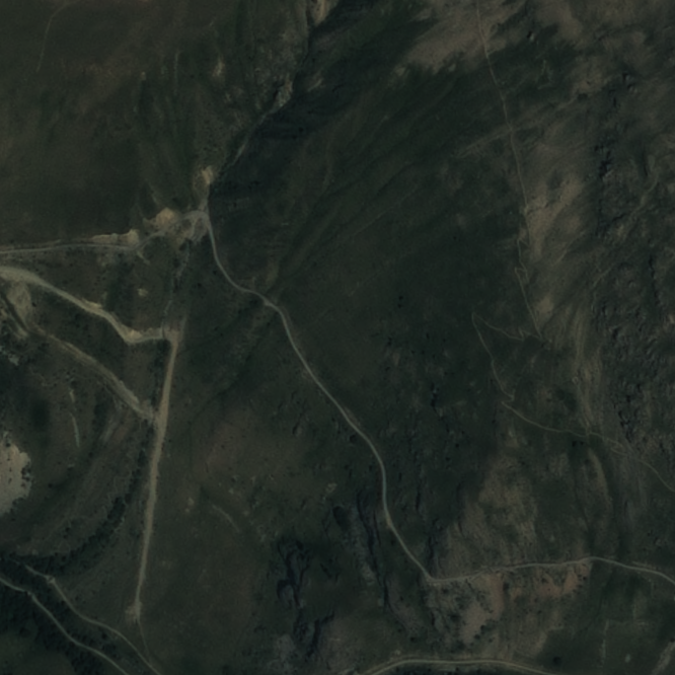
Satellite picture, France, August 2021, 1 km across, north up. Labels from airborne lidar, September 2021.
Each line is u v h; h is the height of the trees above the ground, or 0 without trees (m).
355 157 0
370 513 0
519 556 0
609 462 0
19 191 0
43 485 0
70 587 0
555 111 0
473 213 0
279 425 0
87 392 0
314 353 0
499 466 0
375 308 0
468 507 0
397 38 0
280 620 0
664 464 0
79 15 0
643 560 0
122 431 0
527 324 0
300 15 0
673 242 0
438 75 0
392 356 0
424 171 0
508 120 0
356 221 0
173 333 0
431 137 0
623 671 0
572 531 0
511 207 0
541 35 0
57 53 0
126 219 0
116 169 0
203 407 0
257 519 0
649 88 0
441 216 0
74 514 0
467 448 0
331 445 0
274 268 0
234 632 0
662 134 0
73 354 0
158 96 0
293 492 0
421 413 0
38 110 0
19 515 0
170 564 0
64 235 0
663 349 0
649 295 0
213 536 0
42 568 0
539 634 0
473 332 0
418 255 0
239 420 0
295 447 0
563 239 0
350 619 0
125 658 0
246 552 0
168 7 0
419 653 0
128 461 0
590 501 0
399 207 0
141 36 0
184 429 0
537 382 0
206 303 0
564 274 0
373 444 0
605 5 0
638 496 0
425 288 0
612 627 0
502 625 0
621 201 0
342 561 0
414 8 0
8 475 0
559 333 0
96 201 0
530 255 0
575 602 0
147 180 0
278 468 0
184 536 0
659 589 0
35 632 0
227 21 0
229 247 0
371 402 0
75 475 0
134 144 0
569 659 0
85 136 0
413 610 0
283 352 0
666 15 0
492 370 0
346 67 0
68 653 12
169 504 0
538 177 0
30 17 0
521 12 0
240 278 0
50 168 0
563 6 0
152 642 0
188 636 0
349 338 0
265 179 0
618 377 0
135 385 0
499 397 0
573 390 0
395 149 0
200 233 0
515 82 0
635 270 0
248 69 0
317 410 0
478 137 0
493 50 0
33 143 0
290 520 0
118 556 0
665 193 0
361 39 0
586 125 0
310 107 0
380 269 0
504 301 0
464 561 0
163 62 0
